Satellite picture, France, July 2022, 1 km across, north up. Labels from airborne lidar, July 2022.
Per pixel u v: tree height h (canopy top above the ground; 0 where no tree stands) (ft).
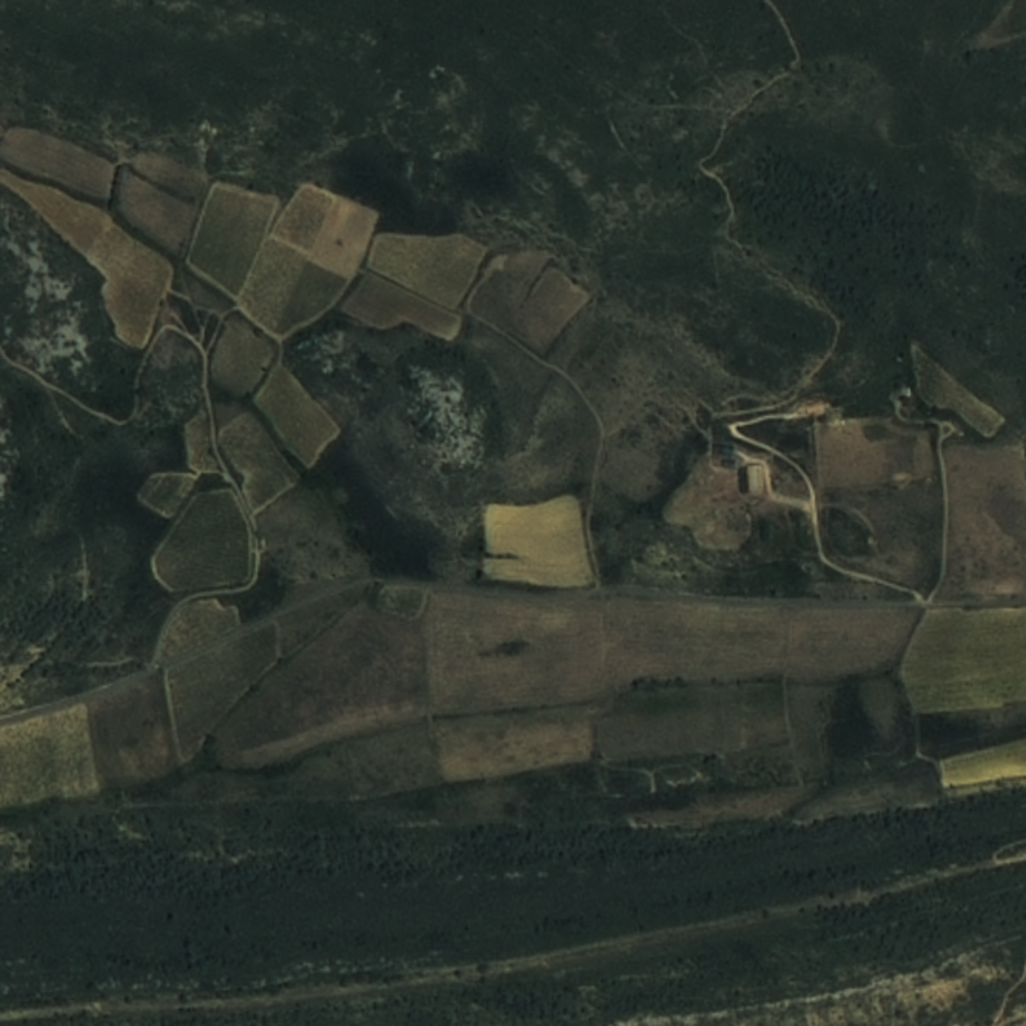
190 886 22
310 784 0
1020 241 0
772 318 0
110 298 0
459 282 0
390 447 0
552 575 0
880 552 0
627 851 27
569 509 0
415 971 0
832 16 0
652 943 0
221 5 0
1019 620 0
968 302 0
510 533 0
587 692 0
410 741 0
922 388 0
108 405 19
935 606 0
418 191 0
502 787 0
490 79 0
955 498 0
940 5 0
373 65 0
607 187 0
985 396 0
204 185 0
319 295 0
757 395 0
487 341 0
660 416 0
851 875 21
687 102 0
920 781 0
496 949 0
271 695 0
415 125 0
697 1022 0
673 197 0
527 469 0
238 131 0
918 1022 0
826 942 19
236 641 0
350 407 0
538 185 0
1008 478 0
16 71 0
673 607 0
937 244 0
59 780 0
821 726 0
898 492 0
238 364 0
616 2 0
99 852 30
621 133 0
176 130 0
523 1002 27
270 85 0
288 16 0
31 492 23
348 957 0
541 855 28
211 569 0
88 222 0
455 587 0
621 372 0
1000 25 0
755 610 0
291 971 0
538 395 0
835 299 26
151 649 0
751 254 23
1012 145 0
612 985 24
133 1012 0
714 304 0
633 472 0
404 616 0
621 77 0
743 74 0
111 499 21
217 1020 24
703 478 0
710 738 0
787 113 0
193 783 0
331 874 32
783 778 0
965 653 0
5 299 0
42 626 32
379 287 0
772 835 32
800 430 0
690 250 0
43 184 0
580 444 0
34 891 31
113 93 0
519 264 0
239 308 0
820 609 0
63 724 0
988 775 0
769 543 0
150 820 29
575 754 0
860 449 0
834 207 25
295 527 0
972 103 0
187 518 0
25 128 0
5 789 0
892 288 0
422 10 0
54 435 19
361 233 0
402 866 24
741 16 0
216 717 0
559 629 0
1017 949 0
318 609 0
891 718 0
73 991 0
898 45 0
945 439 0
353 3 0
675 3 0
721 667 0
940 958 0
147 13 0
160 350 0
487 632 0
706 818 0
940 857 23
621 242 0
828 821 22
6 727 0
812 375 0
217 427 0
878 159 0
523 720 0
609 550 0
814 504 0
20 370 0
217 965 30
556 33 0
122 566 0
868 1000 0
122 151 0
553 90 0
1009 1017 0
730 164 0
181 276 0
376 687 0
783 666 0
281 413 0
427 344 22
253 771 20
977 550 0
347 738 0
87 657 0
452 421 0
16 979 0
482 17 0
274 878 24
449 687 0
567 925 29
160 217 0
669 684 23
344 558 0
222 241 0
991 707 0
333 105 0
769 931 0
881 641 0
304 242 0
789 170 33
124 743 0
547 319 0
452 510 0
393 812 0
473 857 26
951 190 0
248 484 0
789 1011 0
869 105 0
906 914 24
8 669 0
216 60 0
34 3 0
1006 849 0
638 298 0
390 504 0
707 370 0
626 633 0
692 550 0
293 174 0
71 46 0
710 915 0
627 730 0
